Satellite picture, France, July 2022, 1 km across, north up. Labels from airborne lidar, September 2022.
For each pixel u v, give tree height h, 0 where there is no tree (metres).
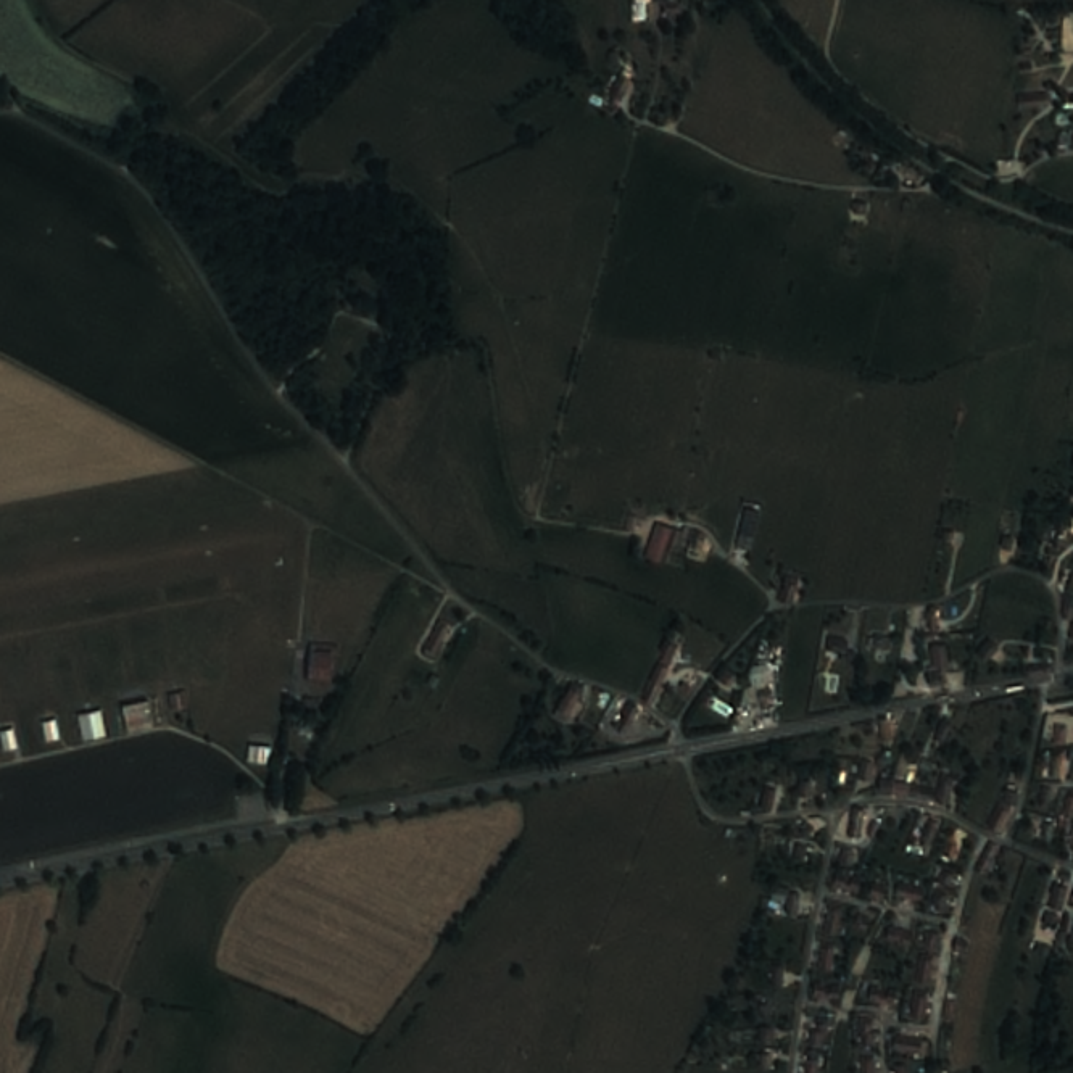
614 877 0
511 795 15
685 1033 0
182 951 0
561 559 0
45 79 0
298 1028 0
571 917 0
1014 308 0
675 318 0
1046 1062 7
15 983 0
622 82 0
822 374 0
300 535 0
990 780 0
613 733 0
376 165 16
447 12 0
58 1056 0
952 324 0
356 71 17
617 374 0
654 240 0
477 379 0
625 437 0
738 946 0
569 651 0
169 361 0
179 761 0
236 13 0
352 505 0
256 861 0
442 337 16
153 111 16
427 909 0
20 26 0
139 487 0
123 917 0
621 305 0
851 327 0
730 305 0
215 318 0
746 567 0
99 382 0
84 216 0
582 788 0
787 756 7
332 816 0
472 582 0
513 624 8
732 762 8
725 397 0
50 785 0
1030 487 0
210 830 0
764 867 7
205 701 0
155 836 0
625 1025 0
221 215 17
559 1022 0
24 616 0
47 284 0
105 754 0
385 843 0
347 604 0
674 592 0
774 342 0
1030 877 0
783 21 17
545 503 0
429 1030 0
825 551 0
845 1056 0
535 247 0
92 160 0
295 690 0
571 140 0
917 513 0
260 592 0
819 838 7
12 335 0
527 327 0
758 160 0
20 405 0
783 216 0
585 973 0
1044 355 0
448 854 0
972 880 0
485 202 0
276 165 15
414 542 0
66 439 0
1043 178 0
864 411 0
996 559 0
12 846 0
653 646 0
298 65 0
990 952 0
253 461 0
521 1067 0
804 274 0
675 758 0
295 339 17
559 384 0
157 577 0
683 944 0
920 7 0
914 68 0
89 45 0
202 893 0
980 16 0
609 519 0
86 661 0
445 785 0
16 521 0
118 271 0
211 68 0
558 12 24
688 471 0
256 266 12
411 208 15
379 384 16
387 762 0
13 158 0
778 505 0
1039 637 9
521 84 0
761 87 0
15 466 0
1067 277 0
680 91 5
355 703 0
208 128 0
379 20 18
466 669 0
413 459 0
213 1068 0
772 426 0
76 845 0
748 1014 8
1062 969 9
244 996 0
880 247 0
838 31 0
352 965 0
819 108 13
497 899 0
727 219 0
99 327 0
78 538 0
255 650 0
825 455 0
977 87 0
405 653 0
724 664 7
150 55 0
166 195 8
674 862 0
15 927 0
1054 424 0
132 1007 0
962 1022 0
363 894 0
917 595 0
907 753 9
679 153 0
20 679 0
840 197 0
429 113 0
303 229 16
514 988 0
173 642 0
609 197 0
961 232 0
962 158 8
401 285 24
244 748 0
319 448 0
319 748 13
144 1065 0
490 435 0
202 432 0
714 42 0
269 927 0
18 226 0
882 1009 0
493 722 0
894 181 15
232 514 0
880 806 0
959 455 0
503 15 18
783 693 0
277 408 0
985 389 0
